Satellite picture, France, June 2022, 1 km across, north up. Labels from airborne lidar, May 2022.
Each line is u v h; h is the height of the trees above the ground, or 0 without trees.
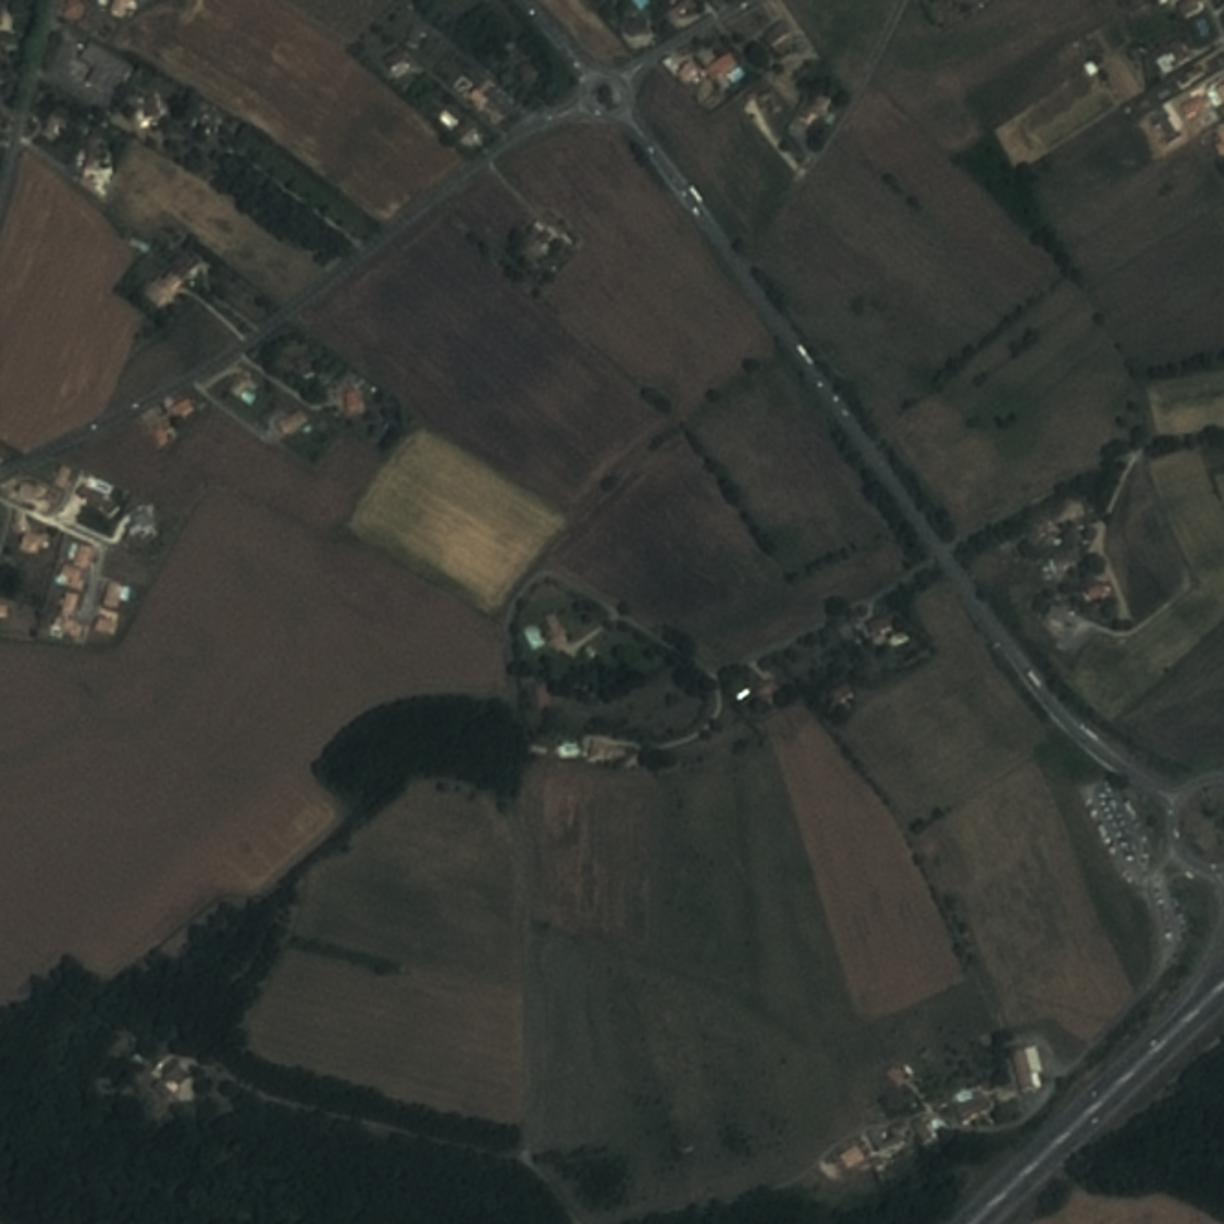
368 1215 17
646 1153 0
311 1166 23
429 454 0
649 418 0
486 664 0
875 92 0
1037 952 0
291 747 0
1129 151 0
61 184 0
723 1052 0
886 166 0
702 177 0
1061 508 0
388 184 0
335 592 0
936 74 0
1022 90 0
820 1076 0
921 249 0
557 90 15
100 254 0
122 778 0
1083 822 0
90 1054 15
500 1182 17
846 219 0
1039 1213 6
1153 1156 17
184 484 0
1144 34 0
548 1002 0
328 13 0
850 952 0
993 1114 9
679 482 0
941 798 0
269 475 0
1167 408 0
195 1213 37
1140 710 0
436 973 0
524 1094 0
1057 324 0
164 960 12
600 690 8
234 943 19
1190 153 0
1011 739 0
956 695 0
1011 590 0
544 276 10
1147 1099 0
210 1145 19
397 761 9
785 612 0
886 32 0
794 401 0
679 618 0
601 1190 6
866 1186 0
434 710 14
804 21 0
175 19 0
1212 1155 25
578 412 0
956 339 0
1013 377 0
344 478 0
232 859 0
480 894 0
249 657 0
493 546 0
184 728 0
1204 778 0
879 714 0
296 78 0
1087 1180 15
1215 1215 9
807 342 11
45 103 7
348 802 0
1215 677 0
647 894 0
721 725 9
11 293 0
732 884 0
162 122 7
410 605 0
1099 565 13
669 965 0
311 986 0
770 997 0
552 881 0
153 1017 11
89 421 0
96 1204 26
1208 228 0
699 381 0
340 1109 12
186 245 11
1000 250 0
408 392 0
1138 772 0
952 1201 9
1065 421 0
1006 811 0
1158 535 0
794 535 0
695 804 0
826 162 0
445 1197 16
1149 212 0
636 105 0
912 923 0
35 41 19
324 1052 0
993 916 0
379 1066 0
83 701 0
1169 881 0
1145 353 0
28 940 0
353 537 0
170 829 0
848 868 0
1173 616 0
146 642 0
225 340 0
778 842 0
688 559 0
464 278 0
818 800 0
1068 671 0
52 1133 22
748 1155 6
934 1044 0
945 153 0
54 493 0
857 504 0
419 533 0
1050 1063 0
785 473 0
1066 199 0
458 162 0
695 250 0
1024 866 0
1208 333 0
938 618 0
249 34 0
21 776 0
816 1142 0
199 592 0
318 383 10
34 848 0
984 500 0
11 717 0
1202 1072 11
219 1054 11
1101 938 0
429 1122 12
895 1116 6
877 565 0
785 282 0
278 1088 12
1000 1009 0
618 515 0
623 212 0
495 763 10
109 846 0
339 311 0
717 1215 18
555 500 0
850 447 12
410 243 0
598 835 0
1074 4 0
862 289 0
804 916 0
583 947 0
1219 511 0
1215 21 0
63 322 0
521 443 0
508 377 0
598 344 0
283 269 0
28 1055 12
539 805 0
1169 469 0
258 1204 24
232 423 0
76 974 16
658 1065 0
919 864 11
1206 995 0
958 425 0
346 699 0
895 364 0
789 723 0
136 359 0
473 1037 0
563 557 0
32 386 0
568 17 0
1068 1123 0
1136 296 0
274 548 0
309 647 0
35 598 6
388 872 0
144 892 0
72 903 0
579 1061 0
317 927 0
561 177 0
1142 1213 0
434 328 0
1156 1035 0
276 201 14
